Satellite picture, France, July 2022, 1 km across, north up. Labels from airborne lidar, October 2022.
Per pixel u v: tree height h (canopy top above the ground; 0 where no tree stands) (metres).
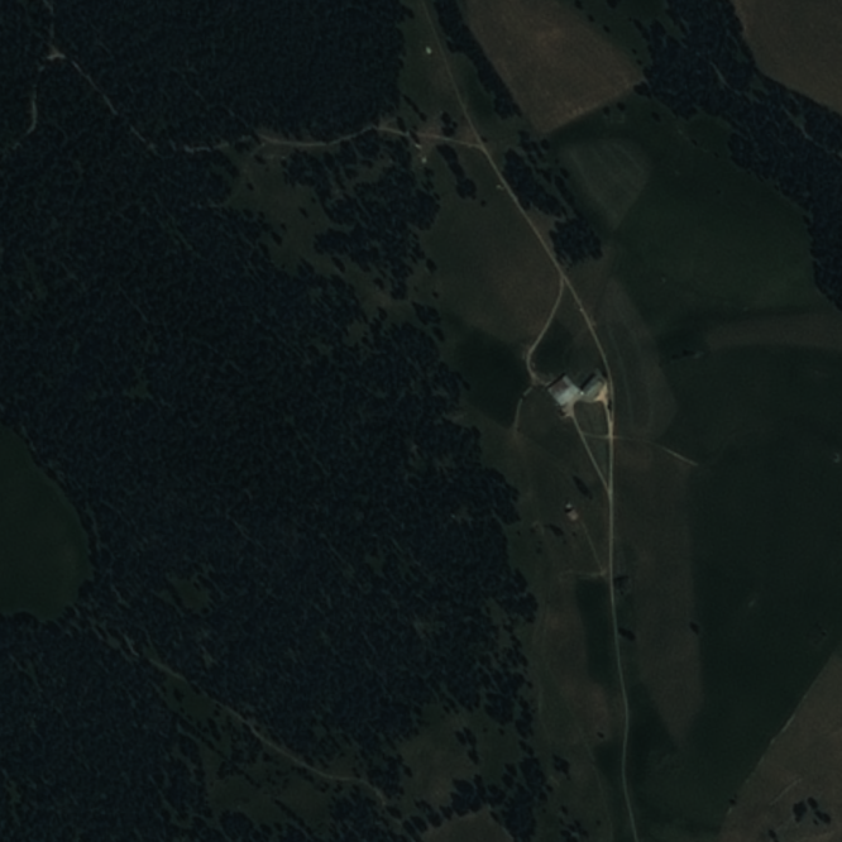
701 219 0
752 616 0
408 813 0
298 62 20
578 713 0
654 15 0
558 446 0
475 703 14
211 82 22
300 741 16
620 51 0
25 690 24
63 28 21
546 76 0
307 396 24
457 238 0
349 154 13
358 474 24
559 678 0
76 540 0
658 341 0
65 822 9
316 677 27
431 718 0
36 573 0
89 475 7
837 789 0
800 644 0
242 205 0
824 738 0
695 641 0
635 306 0
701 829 0
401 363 12
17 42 25
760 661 0
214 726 18
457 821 0
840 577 0
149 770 21
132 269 14
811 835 0
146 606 22
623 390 0
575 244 15
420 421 14
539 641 0
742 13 0
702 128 0
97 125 9
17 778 17
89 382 24
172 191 15
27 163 11
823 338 0
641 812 0
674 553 0
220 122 19
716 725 0
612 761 0
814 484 0
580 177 0
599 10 0
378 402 22
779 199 0
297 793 0
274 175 0
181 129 9
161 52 16
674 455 0
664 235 0
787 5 0
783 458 0
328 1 8
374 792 0
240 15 19
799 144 24
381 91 15
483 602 14
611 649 0
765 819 0
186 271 14
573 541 0
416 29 0
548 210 14
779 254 0
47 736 17
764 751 0
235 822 15
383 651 16
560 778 0
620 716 0
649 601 0
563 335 0
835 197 22
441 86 0
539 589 0
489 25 0
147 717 17
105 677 22
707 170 0
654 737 0
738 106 18
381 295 0
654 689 0
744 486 0
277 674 19
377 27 19
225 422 22
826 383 0
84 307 24
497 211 0
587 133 0
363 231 21
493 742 0
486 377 0
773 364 0
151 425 20
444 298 0
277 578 19
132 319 22
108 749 16
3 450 0
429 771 0
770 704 0
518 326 0
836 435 0
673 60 23
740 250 0
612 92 0
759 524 0
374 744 21
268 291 17
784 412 0
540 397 0
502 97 10
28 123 8
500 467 0
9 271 24
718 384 0
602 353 0
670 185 0
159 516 15
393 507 20
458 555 21
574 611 0
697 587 0
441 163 0
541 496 0
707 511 0
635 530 0
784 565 0
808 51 0
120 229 9
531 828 24
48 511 0
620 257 0
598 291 0
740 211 0
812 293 0
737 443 0
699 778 0
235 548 19
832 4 0
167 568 19
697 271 0
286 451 28
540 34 0
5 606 0
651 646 0
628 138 0
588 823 0
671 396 0
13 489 0
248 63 15
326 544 24
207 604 0
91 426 19
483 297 0
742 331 0
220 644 26
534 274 0
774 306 0
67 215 29
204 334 12
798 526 0
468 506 9
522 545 0
